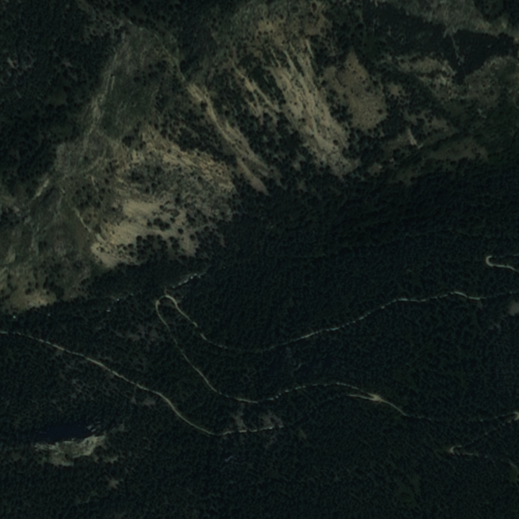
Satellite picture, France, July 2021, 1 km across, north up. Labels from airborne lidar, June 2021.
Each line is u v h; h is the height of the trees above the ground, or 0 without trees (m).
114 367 16
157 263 18
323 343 17
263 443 14
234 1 16
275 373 13
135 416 16
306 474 24
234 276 25
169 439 22
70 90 18
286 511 19
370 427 25
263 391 18
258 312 23
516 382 6
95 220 0
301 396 26
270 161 13
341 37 12
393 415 8
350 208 15
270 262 23
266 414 16
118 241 0
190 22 11
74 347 15
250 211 23
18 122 15
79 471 23
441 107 7
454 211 16
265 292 19
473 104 6
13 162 19
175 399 14
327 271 6
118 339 15
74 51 20
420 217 12
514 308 0
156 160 0
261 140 12
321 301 20
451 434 28
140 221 0
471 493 26
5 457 17
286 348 8
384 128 21
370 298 9
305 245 8
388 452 25
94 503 20
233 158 11
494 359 14
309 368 11
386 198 17
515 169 23
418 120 12
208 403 12
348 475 25
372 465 24
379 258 26
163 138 11
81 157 0
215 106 6
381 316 25
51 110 22
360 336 13
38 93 14
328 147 0
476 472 26
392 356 25
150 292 27
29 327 24
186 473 22
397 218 10
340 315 6
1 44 10
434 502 25
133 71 0
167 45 10
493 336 24
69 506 19
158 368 7
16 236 0
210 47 6
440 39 8
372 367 20
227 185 0
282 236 8
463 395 26
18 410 20
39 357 17
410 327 23
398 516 19
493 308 21
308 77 0
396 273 24
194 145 7
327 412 26
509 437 26
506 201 13
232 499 24
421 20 8
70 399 14
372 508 21
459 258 10
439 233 20
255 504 24
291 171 17
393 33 7
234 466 8
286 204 23
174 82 11
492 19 10
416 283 7
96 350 19
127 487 23
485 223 7
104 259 0
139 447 11
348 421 28
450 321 26
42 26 21
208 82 6
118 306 17
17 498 21
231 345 21
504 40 9
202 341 22
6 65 18
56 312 22
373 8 8
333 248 11
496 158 13
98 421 13
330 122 0
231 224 19
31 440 14
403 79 8
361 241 19
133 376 17
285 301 22
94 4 24
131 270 22
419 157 9
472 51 7
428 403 28
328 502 21
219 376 8
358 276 6
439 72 7
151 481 15
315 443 19
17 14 20
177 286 9
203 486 20
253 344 14
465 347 24
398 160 15
